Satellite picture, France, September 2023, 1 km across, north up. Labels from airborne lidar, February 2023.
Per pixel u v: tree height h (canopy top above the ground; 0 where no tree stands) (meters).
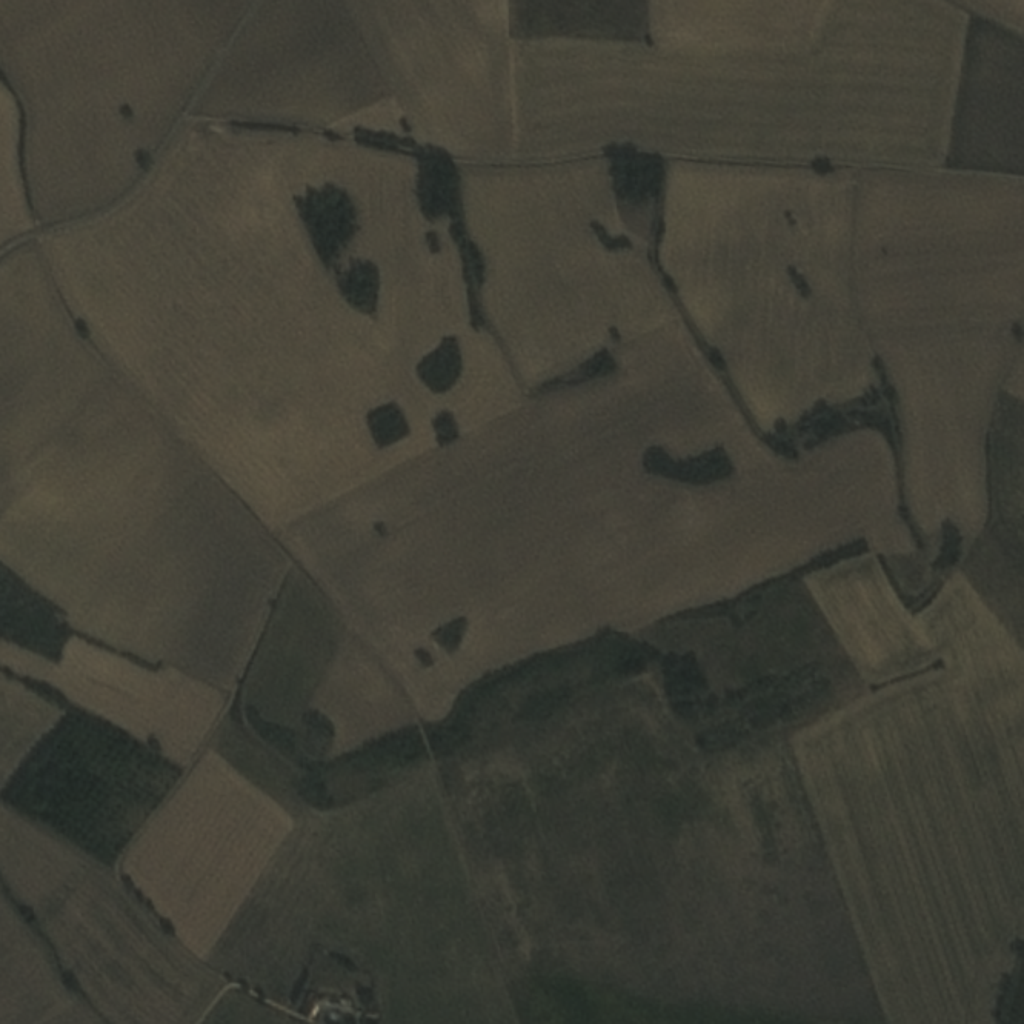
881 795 0
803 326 0
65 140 0
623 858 0
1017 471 0
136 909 0
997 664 0
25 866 0
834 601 0
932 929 0
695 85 0
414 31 0
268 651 0
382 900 0
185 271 0
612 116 0
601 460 0
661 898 0
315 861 0
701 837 0
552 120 0
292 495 0
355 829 0
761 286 0
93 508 0
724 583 0
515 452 0
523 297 0
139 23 0
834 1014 0
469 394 0
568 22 0
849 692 0
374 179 0
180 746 0
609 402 0
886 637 0
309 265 0
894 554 0
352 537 0
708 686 9
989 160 0
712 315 0
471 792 0
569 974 0
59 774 13
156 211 0
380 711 0
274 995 0
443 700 0
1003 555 0
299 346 0
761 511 0
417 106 0
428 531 0
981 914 0
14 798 9
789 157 0
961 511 0
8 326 0
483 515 0
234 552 0
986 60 0
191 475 0
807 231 0
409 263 0
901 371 0
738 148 0
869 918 0
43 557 0
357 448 0
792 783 0
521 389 0
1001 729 0
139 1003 0
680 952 0
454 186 13
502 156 0
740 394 0
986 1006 0
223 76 0
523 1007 0
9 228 0
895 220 0
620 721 0
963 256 0
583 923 0
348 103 0
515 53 0
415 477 0
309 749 0
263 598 0
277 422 0
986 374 0
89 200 0
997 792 0
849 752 0
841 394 0
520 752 0
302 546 0
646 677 0
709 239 0
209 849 0
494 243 0
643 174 7
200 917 0
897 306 0
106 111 0
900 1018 0
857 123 0
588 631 0
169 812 0
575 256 0
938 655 0
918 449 0
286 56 0
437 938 0
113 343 0
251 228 0
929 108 0
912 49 0
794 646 0
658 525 0
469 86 0
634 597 0
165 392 0
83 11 0
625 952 0
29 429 0
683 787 0
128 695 0
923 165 0
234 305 0
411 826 0
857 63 0
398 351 0
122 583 0
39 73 0
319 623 0
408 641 0
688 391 0
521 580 0
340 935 0
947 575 0
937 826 0
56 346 0
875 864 0
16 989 0
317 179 0
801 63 0
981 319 0
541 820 0
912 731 0
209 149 0
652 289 0
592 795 0
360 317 0
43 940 0
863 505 0
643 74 0
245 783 0
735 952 0
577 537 0
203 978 0
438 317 0
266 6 0
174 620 0
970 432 0
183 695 0
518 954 0
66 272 0
